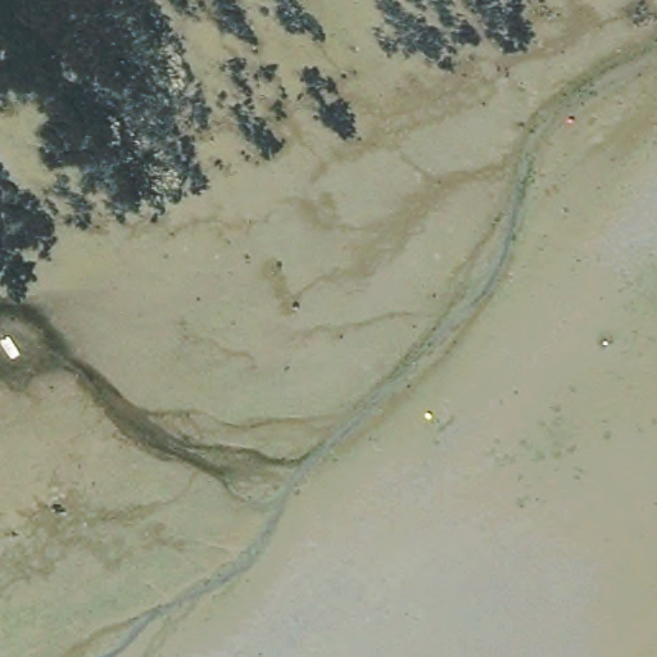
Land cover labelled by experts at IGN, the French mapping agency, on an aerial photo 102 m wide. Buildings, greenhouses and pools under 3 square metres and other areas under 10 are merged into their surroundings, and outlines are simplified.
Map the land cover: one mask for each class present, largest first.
<instances>
[{"label":"bare soil","instance_id":"1","mask_svg":"<svg viewBox=\"0 0 657 657\"><path fill-rule=\"evenodd\" d=\"M162 15H167L169 31L162 38V49H146L141 67L151 72V80L144 85L146 90L139 100H133L131 92L121 90L118 100L123 105V113L110 118V146H121V126H126L131 141L139 149H149L157 159H162L159 169H149V175L154 177V198L141 200L139 210H131L128 203L110 200V195L118 187L113 180L115 169L108 162L82 164L80 169H49L38 157V128L46 123V115L38 113L36 95L5 92L0 98V164L21 190L36 195L41 213H46L54 223V231L49 236H38V244L33 249H23V259L31 262L36 272V280L28 285L26 295L13 298L8 287L0 285V657H657V0H154Z\"/></svg>","mask_w":657,"mask_h":657},{"label":"herbaceous vegetation","instance_id":"2","mask_svg":"<svg viewBox=\"0 0 657 657\"><path fill-rule=\"evenodd\" d=\"M169 31L167 15H162L154 0H0V98L5 92L36 95L38 113L46 115V123L38 128V157L49 169H80L82 164L108 162L115 169L113 180L118 187L110 195V200L128 203L131 210H139L141 200L154 198V177L149 175V169H159L162 159H157L149 149H139L131 141L126 126H121V146H110V118L123 113V105L118 100L121 90L131 92L133 100H139L146 90L144 85L151 80V72L141 67L146 49H162V38ZM54 231V223L46 213H41L36 195L21 190L0 164V285L8 287L13 298L26 295L28 285L36 280V272L31 262L23 259V249H33L38 244V236H49Z\"/></svg>","mask_w":657,"mask_h":657}]
</instances>
